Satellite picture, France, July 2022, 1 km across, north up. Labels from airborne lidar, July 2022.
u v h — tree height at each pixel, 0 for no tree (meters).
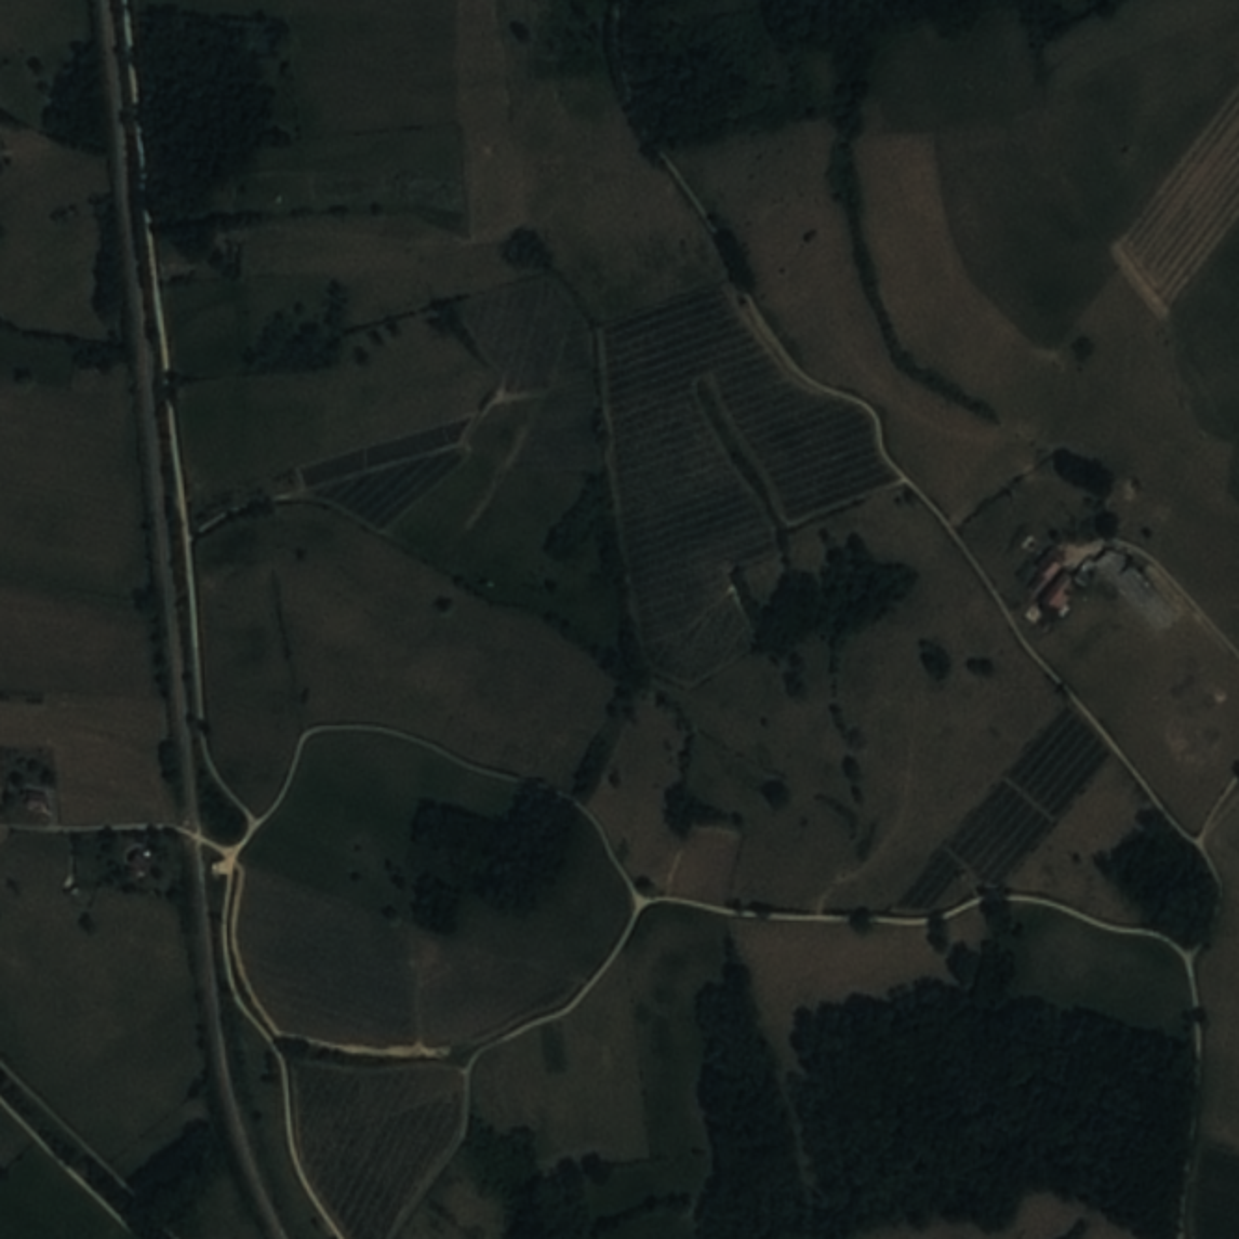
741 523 0
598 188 0
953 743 0
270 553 0
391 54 0
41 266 0
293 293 0
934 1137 23
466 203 0
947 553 0
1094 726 0
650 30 9
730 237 16
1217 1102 0
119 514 0
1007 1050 28
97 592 0
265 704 0
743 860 0
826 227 0
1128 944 0
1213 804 0
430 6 0
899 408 0
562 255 0
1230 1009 0
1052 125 0
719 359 0
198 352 0
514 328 0
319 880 0
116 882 11
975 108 0
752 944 0
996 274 0
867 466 0
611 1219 10
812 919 0
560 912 0
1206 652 0
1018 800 0
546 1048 0
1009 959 8
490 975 0
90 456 0
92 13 6
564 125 0
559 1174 15
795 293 0
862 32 18
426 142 0
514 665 0
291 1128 0
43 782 7
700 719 0
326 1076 0
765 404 0
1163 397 0
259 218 12
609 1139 0
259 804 0
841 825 0
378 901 0
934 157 0
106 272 16
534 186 0
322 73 0
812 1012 14
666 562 0
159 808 0
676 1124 0
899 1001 16
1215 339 0
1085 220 0
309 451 0
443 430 0
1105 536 12
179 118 18
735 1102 16
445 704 0
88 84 15
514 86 0
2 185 0
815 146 0
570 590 0
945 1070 24
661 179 0
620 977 0
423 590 0
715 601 0
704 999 13
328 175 0
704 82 19
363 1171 0
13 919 0
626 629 8
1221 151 0
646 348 0
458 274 0
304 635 0
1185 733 0
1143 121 0
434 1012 0
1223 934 0
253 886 0
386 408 0
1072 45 0
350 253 0
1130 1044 20
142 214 11
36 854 0
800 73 8
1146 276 0
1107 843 0
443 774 0
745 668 0
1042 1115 26
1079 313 0
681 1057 0
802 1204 23
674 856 0
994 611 0
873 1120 22
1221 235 0
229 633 0
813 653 0
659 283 0
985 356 0
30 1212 0
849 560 7
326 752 0
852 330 0
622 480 0
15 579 0
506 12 0
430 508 0
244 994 5
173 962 0
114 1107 0
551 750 0
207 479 0
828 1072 16
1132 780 0
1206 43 0
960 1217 14
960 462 0
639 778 0
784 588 13
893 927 0
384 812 0
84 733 0
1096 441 0
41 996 0
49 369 0
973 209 0
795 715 0
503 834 23
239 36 12
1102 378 0
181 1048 0
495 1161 7
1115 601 0
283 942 0
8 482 0
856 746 7
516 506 0
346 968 0
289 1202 0
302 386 0
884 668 0
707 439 0
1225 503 0
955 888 0
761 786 0
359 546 0
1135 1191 18
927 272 0
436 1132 0
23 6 0
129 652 0
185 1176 25
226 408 0
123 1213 13
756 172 0
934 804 0
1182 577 0
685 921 0
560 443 0
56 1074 0
